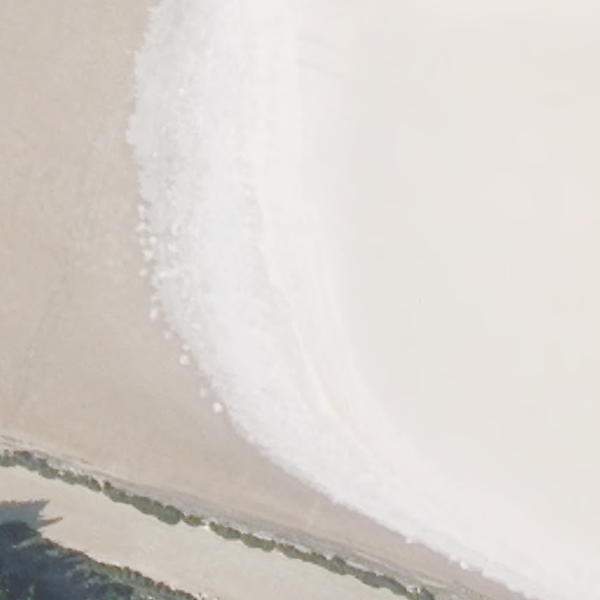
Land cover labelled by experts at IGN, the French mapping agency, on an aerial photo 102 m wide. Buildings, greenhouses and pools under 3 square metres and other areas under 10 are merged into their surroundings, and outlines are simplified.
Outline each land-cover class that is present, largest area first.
<instances>
[{"label":"water","instance_id":"1","mask_svg":"<svg viewBox=\"0 0 600 600\"><path fill-rule=\"evenodd\" d=\"M218 14L213 19V35L204 52L206 63L197 75L199 98L192 115L195 124L199 127L202 157L209 162V171L204 173L202 188L204 204L211 211V225L206 227L202 260L209 265V272L213 277L209 302L218 314L209 321V333L218 349L216 361L234 375V389L239 394H246L248 401L255 403L253 413L258 415V420L267 424L270 431L281 420H286L291 429L300 431L305 452L326 459V464L335 471L349 473L352 480L363 483L366 490L380 492L396 509L415 516L427 527L445 532L464 546L476 548L490 563H502L511 570H518L523 577L544 584L546 591H551L560 581H567L572 588H581V584L588 579L584 560L593 555L600 558V0H216Z\"/></svg>","mask_w":600,"mask_h":600},{"label":"pervious surface","instance_id":"2","mask_svg":"<svg viewBox=\"0 0 600 600\"><path fill-rule=\"evenodd\" d=\"M218 14L216 0H0V452L28 450L33 455L47 457L49 466L54 469L91 476L98 483H113L115 488H122L129 495L150 497L166 506H176L183 513L199 516L202 520V525H169L129 504L113 502L103 492L45 478L38 471L23 466H0V523H28L45 539L63 548L80 551L96 563L136 570L143 577L162 581L173 591H185L197 600H405L391 593L389 588H373L354 577L335 574L319 565L293 560L281 551H260L246 546L244 541L223 539L211 530L213 523L234 527L258 539L291 544L298 551L323 553L326 558H345V563L352 567L394 577L408 591L429 588L434 593L436 588H450L452 600H600V558L593 555L584 560L588 579L581 584V588H572L567 581H560L551 591H546L544 584L523 577L518 570H511L502 563H490L476 548L464 546L445 532L427 527L415 516L396 509L380 492L366 490L363 483L352 480L349 473L335 471L326 464V459L305 452L300 431L291 429L286 420H281L270 431L267 424L258 420V415L253 413L255 403L248 401L246 394H239L234 389V375L216 361L218 349L209 333V321L218 314L209 302L213 277L209 272V265L202 260L206 227L211 225V211L204 204L202 188L204 173L209 171V162L202 157L199 127L195 124L192 115L199 98L197 75L206 63L204 52L213 35V19Z\"/></svg>","mask_w":600,"mask_h":600},{"label":"brushwood","instance_id":"3","mask_svg":"<svg viewBox=\"0 0 600 600\"><path fill-rule=\"evenodd\" d=\"M0 466H23L38 471L45 478L103 492L113 502L129 504L169 525H202V520L199 516L183 513L176 506H166L150 497L129 495L122 488H115L113 483H98L91 476L54 469L49 466L47 457L33 455L28 450L0 452ZM0 558L5 563H21L23 567L42 574L66 572V579L75 577L82 570L87 588L115 581L129 586L134 591V600H197L185 591H173L162 581L143 577L136 570L96 563L80 551L63 548L45 539L28 523H0ZM211 530L223 539L244 541L246 546L260 551H281L293 560L319 565L335 574L354 577L373 588H389L391 593L405 600H452L450 588H436L434 593L429 588L408 591L394 577L352 567L345 563V558H326L323 553L298 551L291 544L258 539L234 527L213 523Z\"/></svg>","mask_w":600,"mask_h":600},{"label":"deciduous trees","instance_id":"4","mask_svg":"<svg viewBox=\"0 0 600 600\"><path fill-rule=\"evenodd\" d=\"M134 591L129 586L115 581L87 588L82 570L75 577L66 579V572L42 574L23 567L21 563H5L0 558V600H134Z\"/></svg>","mask_w":600,"mask_h":600}]
</instances>
